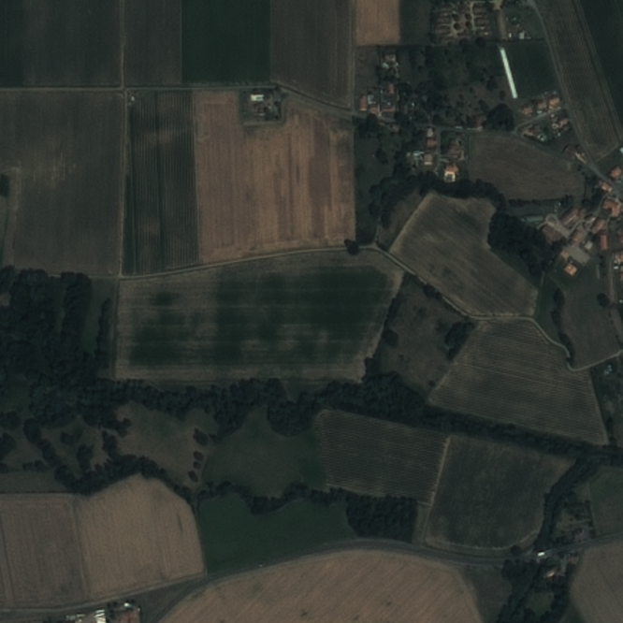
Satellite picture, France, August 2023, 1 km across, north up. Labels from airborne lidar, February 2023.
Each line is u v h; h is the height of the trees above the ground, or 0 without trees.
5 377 15
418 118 9
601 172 0
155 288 0
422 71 9
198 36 0
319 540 0
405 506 18
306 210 0
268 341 0
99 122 0
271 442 0
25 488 0
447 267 0
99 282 0
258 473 0
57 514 0
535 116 0
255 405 10
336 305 0
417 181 14
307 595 0
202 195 0
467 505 0
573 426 0
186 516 0
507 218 8
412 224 0
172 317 0
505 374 0
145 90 0
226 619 0
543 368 0
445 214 0
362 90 0
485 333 0
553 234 0
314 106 0
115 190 0
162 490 0
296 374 0
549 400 0
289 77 0
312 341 0
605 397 0
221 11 0
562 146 0
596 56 0
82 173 0
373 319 0
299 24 0
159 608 0
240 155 0
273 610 0
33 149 0
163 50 0
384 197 9
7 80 0
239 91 0
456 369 0
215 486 13
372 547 0
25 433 0
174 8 0
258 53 0
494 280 0
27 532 0
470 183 12
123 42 0
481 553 0
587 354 0
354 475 0
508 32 0
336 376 0
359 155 0
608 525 0
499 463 0
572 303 0
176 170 0
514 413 0
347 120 0
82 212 0
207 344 0
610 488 0
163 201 0
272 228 0
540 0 0
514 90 0
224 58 0
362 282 0
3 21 0
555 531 11
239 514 0
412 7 0
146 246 0
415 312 0
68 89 0
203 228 0
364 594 0
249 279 0
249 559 0
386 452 0
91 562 0
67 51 0
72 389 14
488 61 0
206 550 0
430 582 0
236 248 0
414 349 0
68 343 25
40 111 0
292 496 7
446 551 0
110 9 0
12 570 0
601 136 0
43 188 0
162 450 0
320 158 0
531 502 0
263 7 0
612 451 13
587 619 0
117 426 15
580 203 0
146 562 0
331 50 0
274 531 0
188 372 0
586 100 0
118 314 0
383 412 15
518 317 0
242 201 0
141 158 0
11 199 0
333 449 0
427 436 0
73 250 0
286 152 0
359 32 0
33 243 0
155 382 0
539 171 0
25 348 15
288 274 0
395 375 7
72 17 0
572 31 0
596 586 0
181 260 0
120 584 0
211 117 0
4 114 0
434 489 0
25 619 0
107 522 0
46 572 0
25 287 19
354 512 12
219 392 12
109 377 0
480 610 0
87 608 0
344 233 0
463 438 0
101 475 18
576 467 7
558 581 10
